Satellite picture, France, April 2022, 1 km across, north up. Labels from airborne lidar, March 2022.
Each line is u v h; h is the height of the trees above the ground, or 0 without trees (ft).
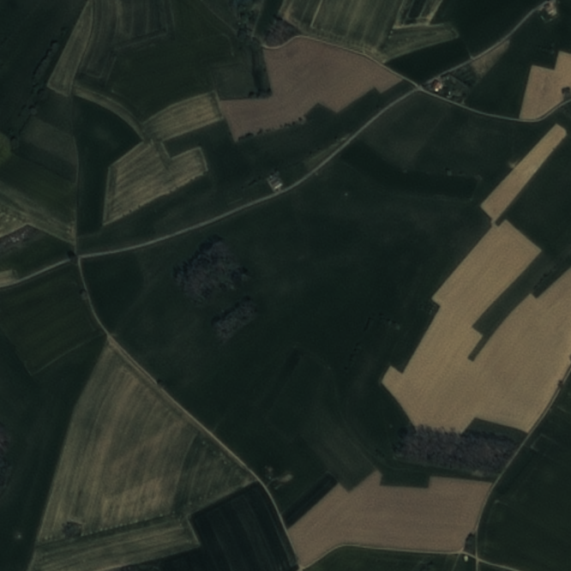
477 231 0
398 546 0
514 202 0
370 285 0
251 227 0
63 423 0
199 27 0
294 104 0
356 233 0
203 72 0
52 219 0
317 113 0
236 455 0
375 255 0
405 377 0
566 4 0
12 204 0
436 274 0
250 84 0
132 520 0
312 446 0
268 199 0
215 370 0
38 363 0
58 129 0
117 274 0
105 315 0
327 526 0
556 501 0
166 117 0
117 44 0
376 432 0
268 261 0
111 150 0
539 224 0
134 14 0
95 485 0
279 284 0
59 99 0
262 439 0
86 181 0
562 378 0
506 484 0
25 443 0
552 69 0
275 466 0
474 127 0
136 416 0
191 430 0
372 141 0
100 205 0
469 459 91
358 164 0
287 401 0
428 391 0
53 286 0
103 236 0
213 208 0
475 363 0
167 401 0
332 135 0
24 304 0
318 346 0
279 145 0
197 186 0
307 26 0
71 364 0
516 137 0
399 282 0
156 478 0
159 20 0
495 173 0
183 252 0
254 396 0
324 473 0
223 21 0
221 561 0
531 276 0
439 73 0
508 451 82
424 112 0
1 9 0
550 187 0
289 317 0
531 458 0
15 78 0
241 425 0
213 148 0
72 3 0
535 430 0
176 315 0
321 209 0
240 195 0
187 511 0
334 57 0
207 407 0
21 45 0
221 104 0
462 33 0
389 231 0
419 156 0
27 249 0
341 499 0
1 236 0
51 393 0
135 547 0
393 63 0
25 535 0
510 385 0
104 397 0
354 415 0
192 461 0
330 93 0
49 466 0
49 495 0
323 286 0
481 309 0
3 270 0
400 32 0
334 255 0
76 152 0
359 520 0
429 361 0
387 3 0
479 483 0
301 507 0
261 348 0
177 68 0
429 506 0
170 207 0
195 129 0
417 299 0
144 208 0
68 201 0
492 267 0
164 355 0
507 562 0
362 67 0
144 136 0
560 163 0
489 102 0
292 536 0
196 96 0
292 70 0
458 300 0
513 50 0
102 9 0
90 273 0
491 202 0
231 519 0
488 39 0
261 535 0
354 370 0
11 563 0
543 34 0
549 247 0
